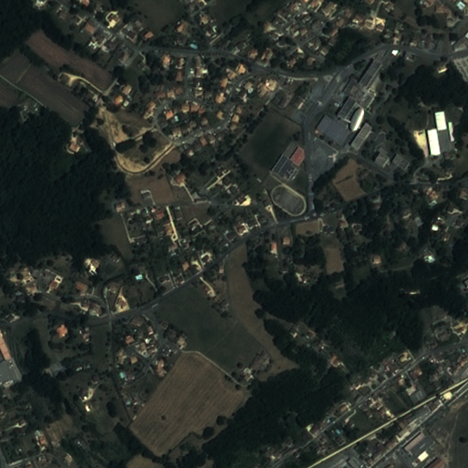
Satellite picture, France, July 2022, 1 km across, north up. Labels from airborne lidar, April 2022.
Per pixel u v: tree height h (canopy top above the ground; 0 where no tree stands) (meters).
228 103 0
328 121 0
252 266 15
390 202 7
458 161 0
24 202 22
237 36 12
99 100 0
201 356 0
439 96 15
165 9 0
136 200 0
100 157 20
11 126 18
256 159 0
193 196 0
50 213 15
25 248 17
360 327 15
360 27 0
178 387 0
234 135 10
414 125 0
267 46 8
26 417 8
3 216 26
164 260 0
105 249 17
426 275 11
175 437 0
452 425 0
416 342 9
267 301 22
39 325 0
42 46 0
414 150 15
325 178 15
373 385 6
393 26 0
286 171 0
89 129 8
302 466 7
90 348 8
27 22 24
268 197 9
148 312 0
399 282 17
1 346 0
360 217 13
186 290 0
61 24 0
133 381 0
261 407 21
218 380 0
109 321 0
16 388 7
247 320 0
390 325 10
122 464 11
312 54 0
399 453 0
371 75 0
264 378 0
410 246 17
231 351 0
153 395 0
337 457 0
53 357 0
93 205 20
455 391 0
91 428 6
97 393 0
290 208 0
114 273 0
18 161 15
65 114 0
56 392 19
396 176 11
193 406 0
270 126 0
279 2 0
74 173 21
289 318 25
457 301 13
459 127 14
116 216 0
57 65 0
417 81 16
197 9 6
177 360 0
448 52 0
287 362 0
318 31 0
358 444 12
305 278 0
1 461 0
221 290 0
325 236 0
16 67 0
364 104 0
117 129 0
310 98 0
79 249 17
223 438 16
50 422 9
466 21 0
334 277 16
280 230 0
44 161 15
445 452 0
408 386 7
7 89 0
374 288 18
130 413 0
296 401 12
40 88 0
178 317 0
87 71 0
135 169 0
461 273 9
